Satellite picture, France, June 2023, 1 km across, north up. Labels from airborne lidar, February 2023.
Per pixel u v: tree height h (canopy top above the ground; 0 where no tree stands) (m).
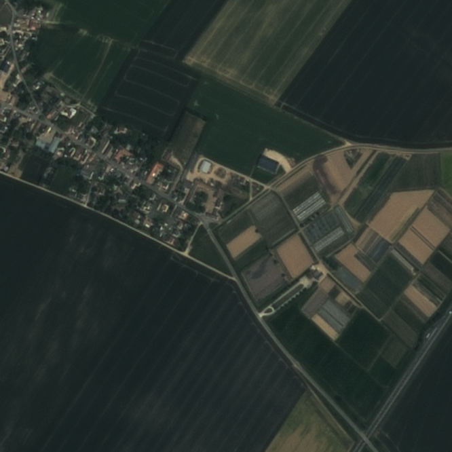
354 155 0
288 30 0
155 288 0
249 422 0
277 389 0
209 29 0
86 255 0
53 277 0
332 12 0
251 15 0
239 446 0
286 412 0
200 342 0
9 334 0
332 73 0
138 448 0
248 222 0
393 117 0
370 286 0
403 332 0
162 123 0
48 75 0
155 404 0
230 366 0
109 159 0
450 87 0
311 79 0
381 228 0
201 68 0
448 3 0
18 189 0
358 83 0
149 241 0
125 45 0
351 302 0
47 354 0
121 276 0
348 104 0
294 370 0
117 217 18
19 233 0
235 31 0
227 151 0
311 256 0
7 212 0
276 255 0
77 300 0
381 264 0
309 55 0
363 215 0
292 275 0
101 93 0
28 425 0
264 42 0
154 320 0
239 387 0
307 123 0
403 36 0
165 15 0
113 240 0
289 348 0
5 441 0
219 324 0
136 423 0
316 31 0
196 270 0
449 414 0
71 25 0
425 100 0
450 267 0
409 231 0
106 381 0
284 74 0
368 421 0
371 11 0
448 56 0
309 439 0
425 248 0
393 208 0
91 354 0
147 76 0
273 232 0
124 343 0
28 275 0
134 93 0
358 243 0
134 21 0
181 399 0
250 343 0
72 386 0
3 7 0
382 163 0
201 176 0
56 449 0
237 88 0
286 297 0
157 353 0
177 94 0
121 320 0
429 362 0
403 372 0
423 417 0
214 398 0
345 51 0
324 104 0
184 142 0
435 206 0
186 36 0
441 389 0
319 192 0
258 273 0
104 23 0
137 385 0
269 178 0
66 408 0
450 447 0
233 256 0
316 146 0
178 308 0
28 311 0
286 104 0
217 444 0
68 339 0
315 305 0
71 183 0
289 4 0
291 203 0
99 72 0
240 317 0
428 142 0
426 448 0
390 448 0
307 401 0
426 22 0
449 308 0
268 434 0
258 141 0
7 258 0
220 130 0
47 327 0
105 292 0
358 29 0
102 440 0
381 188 0
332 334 0
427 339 0
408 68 0
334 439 0
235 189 0
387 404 0
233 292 0
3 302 0
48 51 0
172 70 0
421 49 0
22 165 0
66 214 0
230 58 0
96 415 0
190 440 0
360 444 0
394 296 0
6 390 0
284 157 0
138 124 0
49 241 0
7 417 0
